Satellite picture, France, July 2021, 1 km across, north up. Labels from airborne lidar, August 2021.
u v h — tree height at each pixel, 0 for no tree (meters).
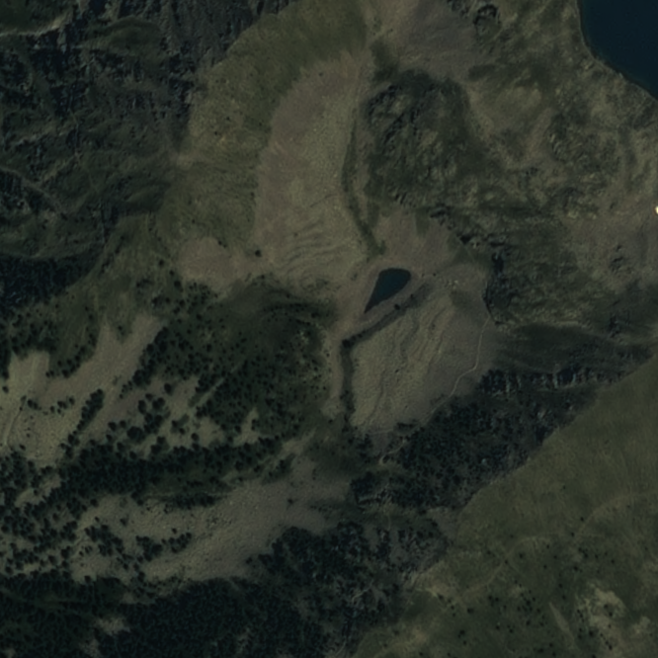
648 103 0
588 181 0
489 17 0
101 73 0
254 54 0
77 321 0
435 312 0
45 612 22
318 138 0
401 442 0
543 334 0
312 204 0
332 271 0
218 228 0
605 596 0
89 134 0
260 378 8
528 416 0
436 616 0
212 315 0
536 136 0
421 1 0
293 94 0
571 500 0
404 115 0
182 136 0
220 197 0
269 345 0
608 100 0
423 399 0
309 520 0
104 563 0
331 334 0
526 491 0
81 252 0
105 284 0
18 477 8
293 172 0
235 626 14
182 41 0
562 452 0
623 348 0
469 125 0
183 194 0
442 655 0
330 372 0
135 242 0
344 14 0
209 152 0
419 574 0
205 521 0
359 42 0
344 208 0
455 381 0
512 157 0
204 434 0
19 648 7
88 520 0
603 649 0
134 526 0
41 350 13
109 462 18
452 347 0
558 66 0
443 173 0
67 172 0
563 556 0
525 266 0
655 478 0
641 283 0
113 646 13
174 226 0
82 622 19
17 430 0
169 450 0
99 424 0
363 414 0
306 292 0
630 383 0
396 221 0
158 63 0
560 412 0
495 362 0
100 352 0
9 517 13
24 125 0
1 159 0
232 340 0
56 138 0
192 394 0
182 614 16
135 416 0
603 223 0
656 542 0
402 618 0
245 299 0
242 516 0
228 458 14
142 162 0
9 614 16
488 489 0
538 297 0
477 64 0
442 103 0
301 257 0
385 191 0
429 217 0
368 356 0
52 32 0
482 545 0
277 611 16
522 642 0
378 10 0
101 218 0
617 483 0
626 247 0
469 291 0
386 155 0
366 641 0
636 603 0
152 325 0
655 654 0
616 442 0
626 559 0
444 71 0
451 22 0
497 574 0
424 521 0
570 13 0
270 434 0
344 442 0
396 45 0
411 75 0
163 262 9
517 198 0
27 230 0
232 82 0
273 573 12
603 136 0
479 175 0
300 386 0
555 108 0
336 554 7
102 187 0
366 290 0
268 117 0
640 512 0
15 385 0
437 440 7
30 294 9
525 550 0
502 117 0
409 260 0
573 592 0
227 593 10
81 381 0
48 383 0
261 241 0
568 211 0
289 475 0
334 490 0
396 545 0
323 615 11
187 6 0
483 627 0
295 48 0
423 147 0
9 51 0
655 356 0
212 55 0
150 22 0
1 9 0
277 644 13
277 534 0
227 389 10
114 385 0
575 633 0
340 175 0
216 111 0
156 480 17
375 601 0
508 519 0
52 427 0
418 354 0
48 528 11
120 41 0
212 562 0
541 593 0
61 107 0
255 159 0
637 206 0
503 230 0
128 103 0
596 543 0
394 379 0
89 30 0
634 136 0
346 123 0
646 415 0
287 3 0
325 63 0
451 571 0
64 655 14
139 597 8
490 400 0
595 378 0
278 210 0
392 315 0
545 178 0
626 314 0
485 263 0
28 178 0
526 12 0
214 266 0
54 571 11
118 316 0
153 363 16
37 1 0
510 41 0
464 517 0
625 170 0
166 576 0
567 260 0
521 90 0
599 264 0
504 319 0
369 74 0
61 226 0
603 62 0
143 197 0
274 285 0
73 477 14
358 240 0
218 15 0
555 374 0
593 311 0
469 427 13
